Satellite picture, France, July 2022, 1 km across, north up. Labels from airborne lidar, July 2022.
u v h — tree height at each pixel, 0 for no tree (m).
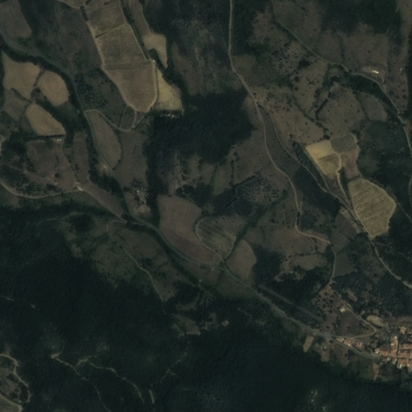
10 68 0
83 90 9
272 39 0
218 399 11
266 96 0
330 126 0
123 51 0
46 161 0
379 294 10
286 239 0
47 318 18
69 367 8
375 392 9
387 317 15
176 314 7
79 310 12
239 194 6
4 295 10
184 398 13
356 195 0
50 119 0
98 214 9
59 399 6
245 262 0
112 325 9
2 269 7
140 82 0
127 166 0
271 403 12
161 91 0
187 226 0
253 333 12
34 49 0
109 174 0
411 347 0
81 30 0
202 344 11
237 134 9
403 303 6
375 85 16
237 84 0
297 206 0
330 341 6
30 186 9
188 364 8
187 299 10
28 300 14
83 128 7
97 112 0
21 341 6
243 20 9
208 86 0
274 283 8
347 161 0
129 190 5
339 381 9
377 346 5
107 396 7
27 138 6
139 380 11
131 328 6
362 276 8
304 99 0
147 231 6
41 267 10
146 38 0
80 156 0
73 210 6
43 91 0
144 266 10
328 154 0
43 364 9
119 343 8
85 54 0
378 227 0
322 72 0
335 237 0
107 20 0
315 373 9
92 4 0
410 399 11
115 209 0
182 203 0
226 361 11
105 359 14
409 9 0
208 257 0
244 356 6
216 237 0
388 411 8
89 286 13
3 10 0
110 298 9
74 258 9
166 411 14
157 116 6
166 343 8
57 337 5
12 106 0
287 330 0
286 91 0
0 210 15
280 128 0
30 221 11
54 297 18
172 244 0
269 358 8
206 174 0
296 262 0
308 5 0
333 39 0
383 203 0
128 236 0
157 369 13
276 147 0
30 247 6
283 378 11
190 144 6
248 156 0
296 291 11
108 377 16
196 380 13
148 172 9
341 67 8
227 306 10
